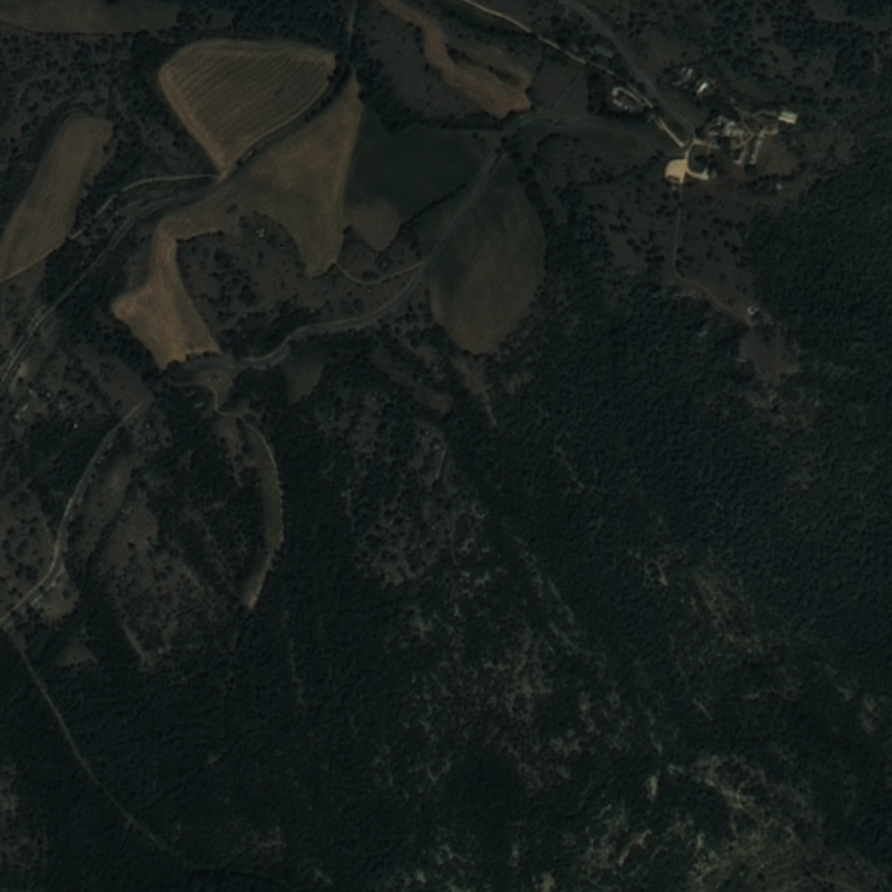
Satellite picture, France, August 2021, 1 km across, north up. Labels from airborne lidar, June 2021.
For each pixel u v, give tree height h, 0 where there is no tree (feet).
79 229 28
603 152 0
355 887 24
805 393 25
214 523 24
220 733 30
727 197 0
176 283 0
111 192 31
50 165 0
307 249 0
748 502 42
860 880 19
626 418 56
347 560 23
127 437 34
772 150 0
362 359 30
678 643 24
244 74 0
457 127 28
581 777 19
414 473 20
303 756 22
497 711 23
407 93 0
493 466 45
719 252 0
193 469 35
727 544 34
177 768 29
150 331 0
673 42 0
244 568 21
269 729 19
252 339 27
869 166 25
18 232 0
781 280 49
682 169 0
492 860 24
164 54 26
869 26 0
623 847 28
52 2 0
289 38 29
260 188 0
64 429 25
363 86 34
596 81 36
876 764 30
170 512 25
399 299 0
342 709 25
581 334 32
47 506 23
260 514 40
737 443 34
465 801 22
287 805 24
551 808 33
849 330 36
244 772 24
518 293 0
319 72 0
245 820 22
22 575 22
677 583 22
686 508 43
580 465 39
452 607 21
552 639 26
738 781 26
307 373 0
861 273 32
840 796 30
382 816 30
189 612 19
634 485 27
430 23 0
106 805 38
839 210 31
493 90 0
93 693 35
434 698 20
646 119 37
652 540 33
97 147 0
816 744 40
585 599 25
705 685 22
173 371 39
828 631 26
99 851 26
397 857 24
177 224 0
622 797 27
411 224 18
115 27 0
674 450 23
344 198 0
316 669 27
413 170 0
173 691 31
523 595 25
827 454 34
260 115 0
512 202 0
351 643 23
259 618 24
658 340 32
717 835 27
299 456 30
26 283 0
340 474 19
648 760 39
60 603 0
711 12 29
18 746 27
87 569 24
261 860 23
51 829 29
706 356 21
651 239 30
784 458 25
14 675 39
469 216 0
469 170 0
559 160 0
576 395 48
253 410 35
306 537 36
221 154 0
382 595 21
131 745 33
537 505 32
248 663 33
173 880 42
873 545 38
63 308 35
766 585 32
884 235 40
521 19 0
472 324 0
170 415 41
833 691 21
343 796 20
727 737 27
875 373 49
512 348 26
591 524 25
